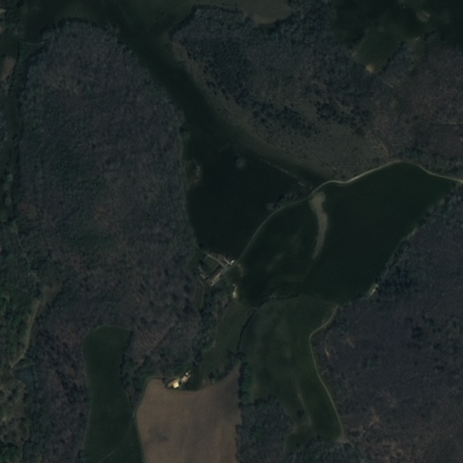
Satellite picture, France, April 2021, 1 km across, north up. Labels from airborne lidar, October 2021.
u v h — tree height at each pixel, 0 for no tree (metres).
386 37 0
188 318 26
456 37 0
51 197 13
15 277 24
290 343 0
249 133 0
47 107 14
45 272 21
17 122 0
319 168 0
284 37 14
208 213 0
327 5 11
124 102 16
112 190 11
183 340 19
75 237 19
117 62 23
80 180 18
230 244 0
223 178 0
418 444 10
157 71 0
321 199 0
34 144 15
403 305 11
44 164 17
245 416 20
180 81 0
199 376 0
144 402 0
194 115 0
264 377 0
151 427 0
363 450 22
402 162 22
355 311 16
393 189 0
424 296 13
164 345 16
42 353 10
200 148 0
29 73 21
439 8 0
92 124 12
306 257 0
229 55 20
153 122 21
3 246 25
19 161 13
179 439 0
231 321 0
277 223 0
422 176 0
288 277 0
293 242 0
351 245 0
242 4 0
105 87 18
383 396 14
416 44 0
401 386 11
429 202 0
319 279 0
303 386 0
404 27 0
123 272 12
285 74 15
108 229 11
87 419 8
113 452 0
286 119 14
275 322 0
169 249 25
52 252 13
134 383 16
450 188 0
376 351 12
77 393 20
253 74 17
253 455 22
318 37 19
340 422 0
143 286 15
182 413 0
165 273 14
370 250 0
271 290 0
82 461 17
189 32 21
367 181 0
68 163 13
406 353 13
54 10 0
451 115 9
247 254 0
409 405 13
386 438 13
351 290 0
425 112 8
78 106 13
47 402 13
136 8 0
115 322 9
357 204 0
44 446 15
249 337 0
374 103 18
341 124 11
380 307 8
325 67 8
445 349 7
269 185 0
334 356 6
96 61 23
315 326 0
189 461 0
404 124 9
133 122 18
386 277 10
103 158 13
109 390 0
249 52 17
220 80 19
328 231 0
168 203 17
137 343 18
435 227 16
